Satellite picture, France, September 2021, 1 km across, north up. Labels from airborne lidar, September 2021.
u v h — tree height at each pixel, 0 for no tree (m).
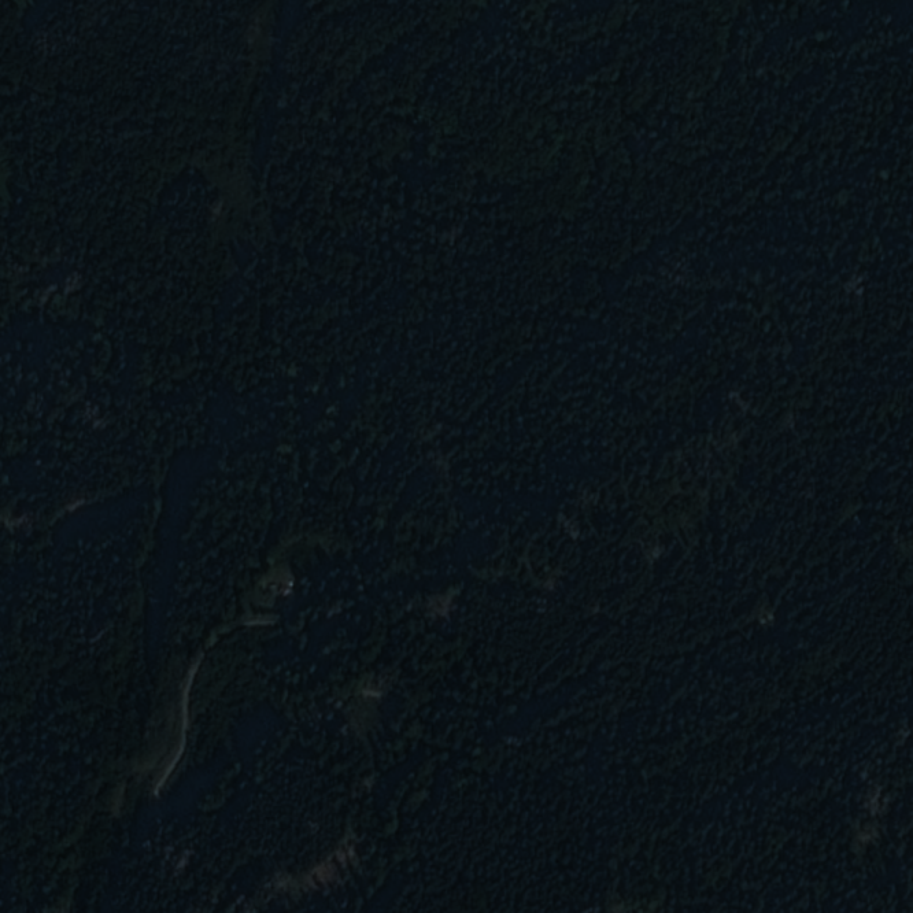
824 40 24
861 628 26
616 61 31
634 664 30
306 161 25
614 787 28
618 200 22
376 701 0
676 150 26
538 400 26
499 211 26
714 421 22
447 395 29
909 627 24
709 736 35
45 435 23
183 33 25
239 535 19
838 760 16
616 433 32
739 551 32
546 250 30
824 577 27
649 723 24
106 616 26
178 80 27
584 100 31
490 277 30
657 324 31
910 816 35
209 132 29
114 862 7
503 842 35
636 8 28
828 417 31
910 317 30
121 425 31
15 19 17
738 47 38
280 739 31
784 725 22
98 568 32
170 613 27
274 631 6
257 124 7
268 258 9
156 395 7
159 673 22
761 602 38
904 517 33
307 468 32
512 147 21
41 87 27
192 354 25
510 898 32
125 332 18
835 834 30
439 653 30
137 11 15
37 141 22
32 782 34
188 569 31
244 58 23
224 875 26
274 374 25
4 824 30
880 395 30
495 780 7
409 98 21
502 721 20
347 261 35
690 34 24
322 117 27
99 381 15
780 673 17
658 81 28
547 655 30
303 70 26
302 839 30
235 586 21
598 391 26
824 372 27
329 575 26
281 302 19
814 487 20
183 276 23
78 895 6
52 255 35
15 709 35
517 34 26
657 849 17
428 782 19
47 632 35
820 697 13
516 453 32
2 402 33
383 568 32
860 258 24
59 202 34
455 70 27
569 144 22
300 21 24
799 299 42
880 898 29
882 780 32
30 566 17
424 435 32
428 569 17
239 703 6
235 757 6
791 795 37
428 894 32
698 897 29
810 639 24
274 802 32
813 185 26
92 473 27
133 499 18
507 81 21
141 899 32
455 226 24
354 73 22
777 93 7
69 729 31
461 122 33
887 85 27
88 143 22
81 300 27
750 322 26
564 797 37
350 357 24
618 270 21
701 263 30
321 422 26
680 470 17
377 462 23
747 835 16
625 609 30
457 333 28
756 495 29
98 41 20
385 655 13
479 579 23
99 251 28
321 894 25
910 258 28
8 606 28
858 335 28
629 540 26
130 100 23
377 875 28
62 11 25
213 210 29
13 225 20
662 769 28
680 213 25
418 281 25
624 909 19
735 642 31
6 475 31
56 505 29
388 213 26
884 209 10
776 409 22
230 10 26
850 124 37
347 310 16
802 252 38
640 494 24
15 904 31
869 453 38
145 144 31
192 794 7
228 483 24
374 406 13
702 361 30
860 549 33
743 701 33
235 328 18
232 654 6
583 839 27
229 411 28
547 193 29
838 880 23
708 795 25
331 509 31
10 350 30
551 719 33
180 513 10
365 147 22
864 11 8
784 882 22
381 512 29
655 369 40
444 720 18
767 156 24
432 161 24
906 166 23
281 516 28
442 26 24
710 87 24
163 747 0
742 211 35
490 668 22
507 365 22
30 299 24
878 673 29
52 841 31
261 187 22
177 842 35
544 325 27
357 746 30
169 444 31
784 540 33
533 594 14
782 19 7
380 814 22
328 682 32
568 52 30
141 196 23
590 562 28
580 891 27
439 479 14
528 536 22
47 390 38
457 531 6
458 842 32
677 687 31
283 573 0
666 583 33
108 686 32
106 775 8
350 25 25
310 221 22
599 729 24
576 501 29
